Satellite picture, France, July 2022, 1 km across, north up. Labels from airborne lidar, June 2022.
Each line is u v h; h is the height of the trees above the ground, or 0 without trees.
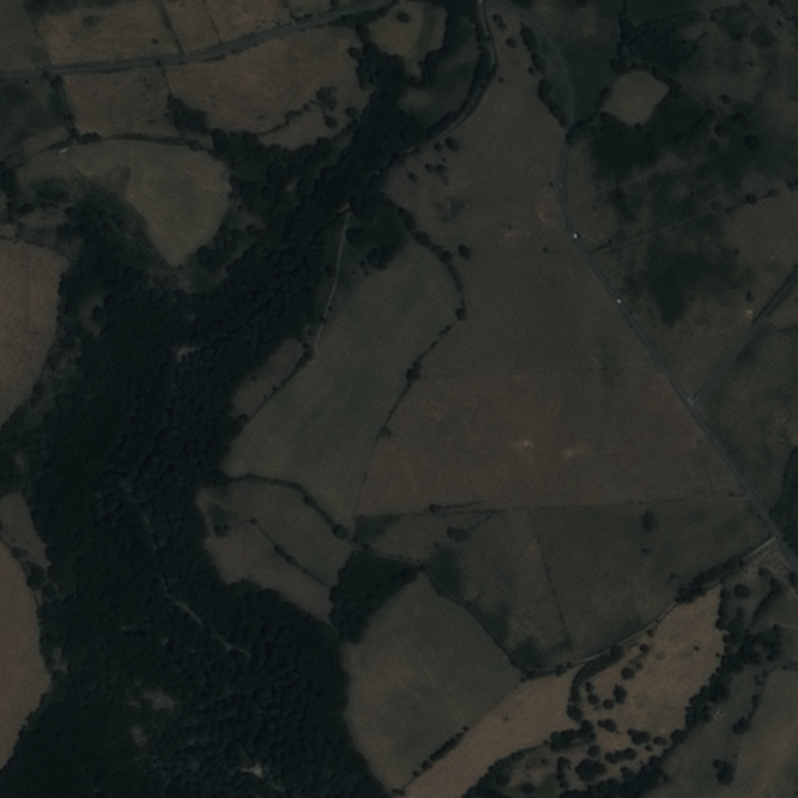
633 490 0
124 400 21
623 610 0
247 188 19
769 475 0
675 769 0
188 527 21
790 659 0
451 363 0
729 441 0
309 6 0
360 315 0
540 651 0
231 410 14
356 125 12
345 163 20
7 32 0
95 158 0
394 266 0
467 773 0
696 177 0
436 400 0
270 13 0
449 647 0
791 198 0
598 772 14
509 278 0
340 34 0
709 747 0
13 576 0
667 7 0
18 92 0
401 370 0
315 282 17
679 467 0
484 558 0
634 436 0
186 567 21
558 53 0
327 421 0
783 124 0
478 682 0
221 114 0
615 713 0
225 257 16
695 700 12
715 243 0
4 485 13
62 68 0
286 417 0
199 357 10
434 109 0
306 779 25
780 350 0
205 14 0
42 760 27
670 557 0
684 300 0
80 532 19
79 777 22
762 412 0
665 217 0
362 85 11
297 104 0
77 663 7
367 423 0
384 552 0
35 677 0
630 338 0
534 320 0
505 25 8
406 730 0
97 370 16
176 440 27
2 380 0
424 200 0
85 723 24
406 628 0
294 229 25
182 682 24
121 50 0
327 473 0
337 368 0
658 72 14
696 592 12
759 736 0
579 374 0
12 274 0
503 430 0
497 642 6
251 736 35
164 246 0
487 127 0
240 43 0
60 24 0
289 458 0
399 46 0
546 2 0
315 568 0
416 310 0
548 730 0
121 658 23
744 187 0
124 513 29
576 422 0
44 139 0
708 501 0
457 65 0
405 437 0
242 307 27
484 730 0
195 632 23
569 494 0
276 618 28
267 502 0
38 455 16
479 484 0
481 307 0
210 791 14
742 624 9
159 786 33
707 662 0
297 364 8
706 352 0
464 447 0
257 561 0
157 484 17
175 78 0
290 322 22
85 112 0
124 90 0
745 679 0
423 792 0
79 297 16
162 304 18
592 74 0
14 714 0
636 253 0
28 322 0
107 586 18
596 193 0
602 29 0
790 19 10
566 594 0
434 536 0
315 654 26
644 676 0
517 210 0
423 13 0
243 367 18
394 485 0
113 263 16
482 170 0
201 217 0
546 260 0
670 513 0
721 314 0
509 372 0
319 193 26
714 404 0
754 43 0
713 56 0
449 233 0
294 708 33
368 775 7
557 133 0
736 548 0
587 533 0
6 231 0
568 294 0
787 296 0
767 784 0
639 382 0
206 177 0
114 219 9
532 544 0
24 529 0
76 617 19
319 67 0
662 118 0
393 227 0
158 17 0
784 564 0
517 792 0
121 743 17
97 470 28
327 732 26
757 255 0
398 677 0
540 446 0
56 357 6
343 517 0
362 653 0
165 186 0
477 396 0
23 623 0
